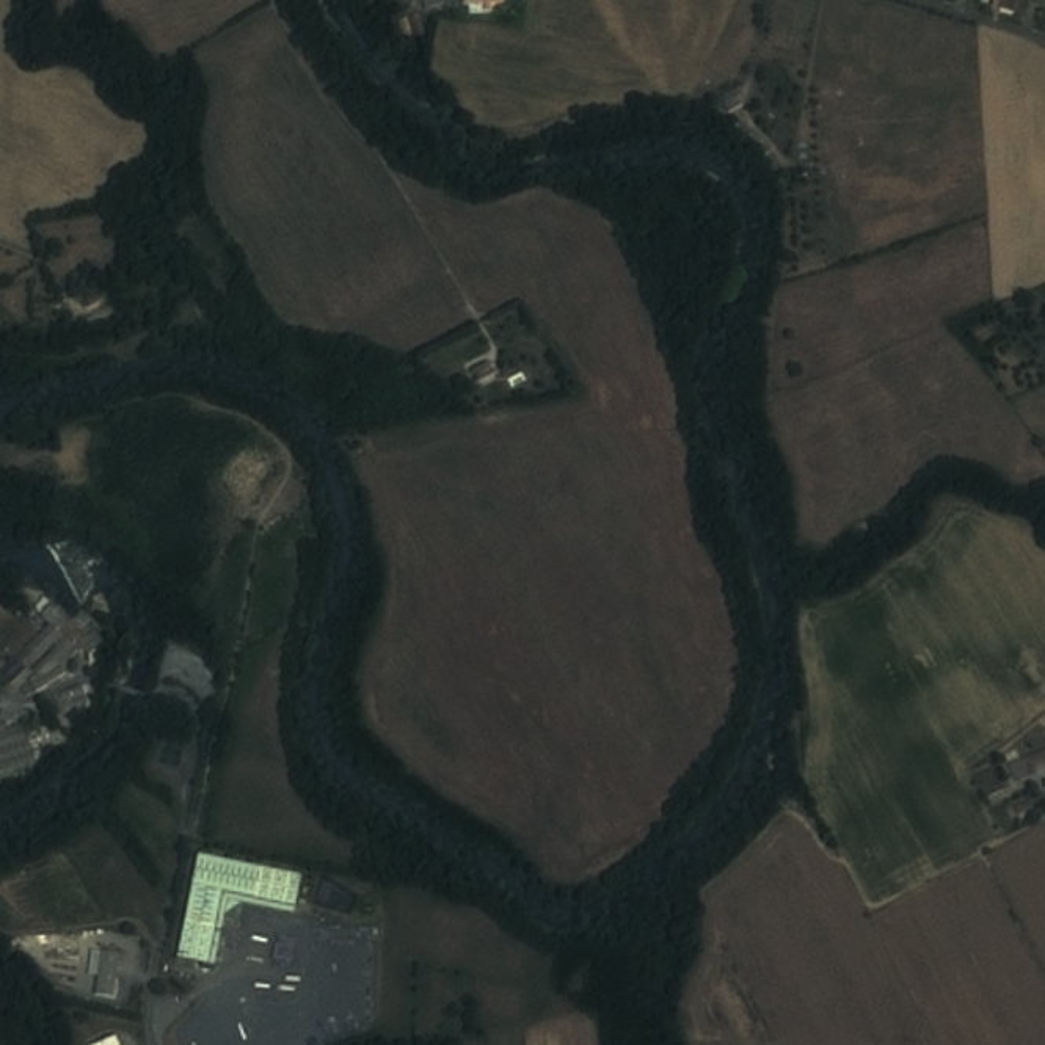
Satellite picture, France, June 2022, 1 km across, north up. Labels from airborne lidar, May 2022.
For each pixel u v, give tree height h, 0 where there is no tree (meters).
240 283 11
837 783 0
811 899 0
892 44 0
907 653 0
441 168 13
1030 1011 0
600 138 28
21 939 0
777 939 0
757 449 14
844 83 0
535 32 0
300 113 0
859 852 0
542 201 0
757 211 30
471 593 0
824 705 0
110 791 13
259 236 0
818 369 0
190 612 17
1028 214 0
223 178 0
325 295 0
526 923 16
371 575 16
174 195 19
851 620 0
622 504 0
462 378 16
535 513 0
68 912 0
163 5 0
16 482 17
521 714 0
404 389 8
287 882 0
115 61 10
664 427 0
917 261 0
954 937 0
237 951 0
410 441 0
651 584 0
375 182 0
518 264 0
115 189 16
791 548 12
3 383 33
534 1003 0
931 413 0
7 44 12
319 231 0
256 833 0
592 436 0
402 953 0
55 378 6
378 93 21
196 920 0
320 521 14
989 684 0
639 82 0
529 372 0
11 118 0
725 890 0
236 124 0
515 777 0
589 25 0
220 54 0
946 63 0
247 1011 0
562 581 0
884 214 0
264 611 0
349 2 25
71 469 0
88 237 0
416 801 8
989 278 0
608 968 11
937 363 0
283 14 9
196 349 15
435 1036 7
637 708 0
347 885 0
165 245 16
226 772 0
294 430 9
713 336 19
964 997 0
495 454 0
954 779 0
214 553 6
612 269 0
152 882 9
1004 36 0
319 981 0
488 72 0
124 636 19
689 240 22
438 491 0
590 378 0
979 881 0
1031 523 9
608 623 0
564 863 0
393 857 11
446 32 0
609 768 0
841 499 0
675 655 0
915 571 0
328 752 0
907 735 0
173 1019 0
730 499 17
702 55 0
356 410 6
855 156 0
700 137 25
